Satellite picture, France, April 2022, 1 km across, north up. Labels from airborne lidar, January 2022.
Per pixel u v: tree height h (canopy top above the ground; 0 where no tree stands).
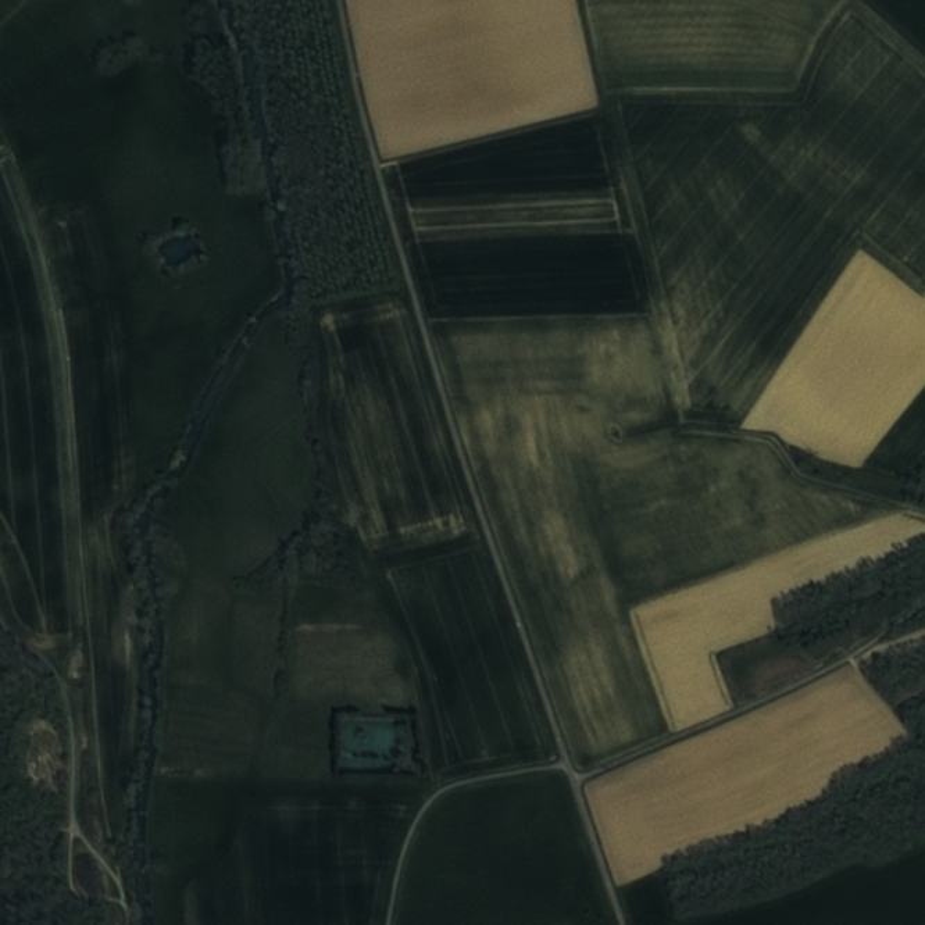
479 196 0
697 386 0
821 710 0
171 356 0
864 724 0
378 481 0
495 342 0
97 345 0
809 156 0
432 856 0
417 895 0
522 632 0
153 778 0
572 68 0
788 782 0
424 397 0
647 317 0
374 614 0
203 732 0
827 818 18
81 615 0
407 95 0
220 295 0
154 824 0
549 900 0
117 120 0
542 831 0
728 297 0
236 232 0
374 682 0
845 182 0
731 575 0
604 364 0
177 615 0
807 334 0
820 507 0
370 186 25
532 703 0
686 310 0
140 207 0
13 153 0
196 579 0
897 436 0
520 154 0
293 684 0
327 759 0
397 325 0
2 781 8
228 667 0
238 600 0
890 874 0
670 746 0
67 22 0
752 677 0
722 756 0
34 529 0
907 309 0
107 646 0
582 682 0
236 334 0
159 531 18
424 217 0
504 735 0
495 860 0
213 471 0
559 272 0
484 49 0
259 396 0
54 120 0
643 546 0
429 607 0
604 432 0
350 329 0
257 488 0
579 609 0
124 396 0
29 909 28
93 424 0
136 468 0
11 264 0
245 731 0
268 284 0
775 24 0
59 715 15
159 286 0
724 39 0
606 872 0
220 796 0
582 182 0
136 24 0
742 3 0
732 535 0
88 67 0
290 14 12
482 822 0
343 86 23
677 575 0
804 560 0
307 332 8
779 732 0
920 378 0
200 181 0
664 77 0
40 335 0
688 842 0
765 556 0
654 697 0
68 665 0
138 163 0
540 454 0
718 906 16
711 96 0
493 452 0
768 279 0
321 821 0
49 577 0
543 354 0
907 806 21
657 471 0
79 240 0
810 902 0
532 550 0
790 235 0
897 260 0
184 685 0
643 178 0
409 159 0
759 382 0
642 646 0
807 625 7
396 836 0
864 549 0
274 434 0
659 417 0
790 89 0
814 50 0
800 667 0
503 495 0
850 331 0
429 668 0
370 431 0
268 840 0
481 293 0
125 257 0
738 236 0
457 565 0
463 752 0
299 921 0
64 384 0
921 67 0
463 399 0
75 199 0
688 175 0
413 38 0
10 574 0
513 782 0
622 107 0
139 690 0
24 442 0
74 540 0
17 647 25
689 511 0
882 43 0
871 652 0
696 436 0
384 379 0
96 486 0
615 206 0
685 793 0
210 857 0
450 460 0
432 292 0
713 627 0
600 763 0
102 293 0
